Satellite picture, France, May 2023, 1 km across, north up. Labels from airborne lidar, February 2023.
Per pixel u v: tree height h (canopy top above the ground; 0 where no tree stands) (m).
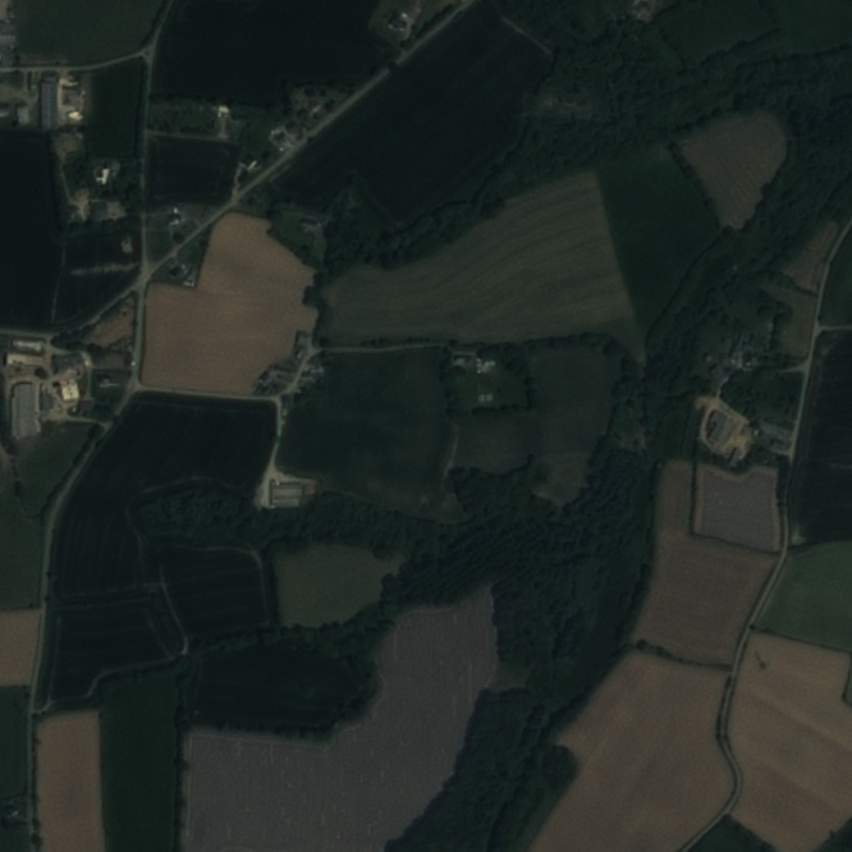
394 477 0
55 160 11
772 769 0
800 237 10
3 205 0
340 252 13
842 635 0
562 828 0
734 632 0
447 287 0
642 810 0
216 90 0
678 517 0
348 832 0
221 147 0
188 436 0
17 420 0
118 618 0
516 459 0
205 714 0
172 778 0
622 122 13
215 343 0
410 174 0
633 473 23
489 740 22
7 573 0
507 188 10
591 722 0
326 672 0
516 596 21
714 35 0
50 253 0
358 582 0
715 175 0
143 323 0
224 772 0
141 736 0
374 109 0
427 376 0
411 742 0
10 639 0
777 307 9
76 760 0
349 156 0
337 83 10
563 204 0
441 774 0
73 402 0
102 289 0
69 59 0
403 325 0
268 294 0
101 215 0
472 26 0
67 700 0
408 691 0
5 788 0
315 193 0
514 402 0
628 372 17
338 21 0
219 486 0
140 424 0
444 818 24
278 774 0
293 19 0
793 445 0
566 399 0
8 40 0
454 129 0
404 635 0
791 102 23
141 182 16
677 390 9
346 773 0
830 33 0
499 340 0
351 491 0
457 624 0
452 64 0
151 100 9
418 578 31
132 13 0
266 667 0
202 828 0
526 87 0
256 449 0
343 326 0
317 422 0
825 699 0
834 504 0
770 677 0
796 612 0
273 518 17
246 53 0
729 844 0
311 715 0
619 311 0
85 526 0
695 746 0
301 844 0
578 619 23
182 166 0
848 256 0
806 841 0
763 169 0
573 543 21
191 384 0
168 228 0
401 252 12
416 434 0
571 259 0
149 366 0
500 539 27
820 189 7
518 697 21
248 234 0
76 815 0
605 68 18
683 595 0
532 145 19
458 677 0
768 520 0
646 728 0
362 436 0
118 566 0
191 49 0
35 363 0
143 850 0
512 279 0
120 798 0
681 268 0
